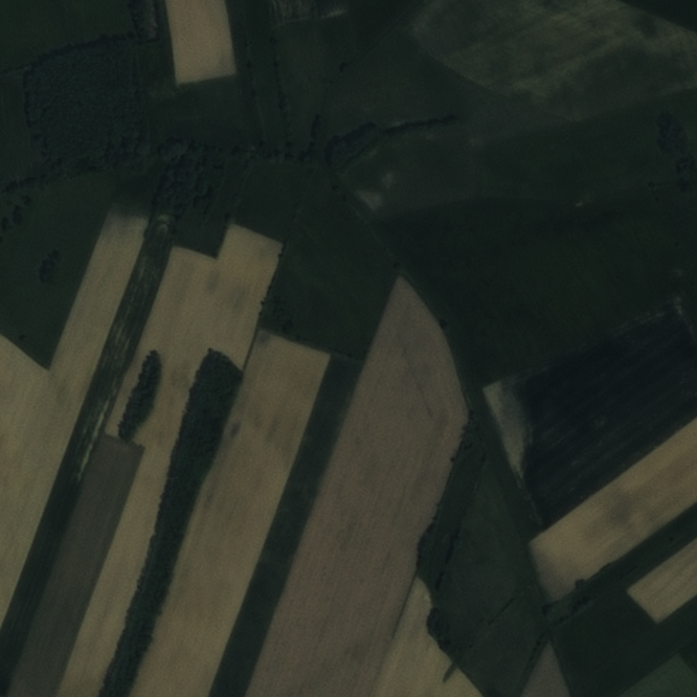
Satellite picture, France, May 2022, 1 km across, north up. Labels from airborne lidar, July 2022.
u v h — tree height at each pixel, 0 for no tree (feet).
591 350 0
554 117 0
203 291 0
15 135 0
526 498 0
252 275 0
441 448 0
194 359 0
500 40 0
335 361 0
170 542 63
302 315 0
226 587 0
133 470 0
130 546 0
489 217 0
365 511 0
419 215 0
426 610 0
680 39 0
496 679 0
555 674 0
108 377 0
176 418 0
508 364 0
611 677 0
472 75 0
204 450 69
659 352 0
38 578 0
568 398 0
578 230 0
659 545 0
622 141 0
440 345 0
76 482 0
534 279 0
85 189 0
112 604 0
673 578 0
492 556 0
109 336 0
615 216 0
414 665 0
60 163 54
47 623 0
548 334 0
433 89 0
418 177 0
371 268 0
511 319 0
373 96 0
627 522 0
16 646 0
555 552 0
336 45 0
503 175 0
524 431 0
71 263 0
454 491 0
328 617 0
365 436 0
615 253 0
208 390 73
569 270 0
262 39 0
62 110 80
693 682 0
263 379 0
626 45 0
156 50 0
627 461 0
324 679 0
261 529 0
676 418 0
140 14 66
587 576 0
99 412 0
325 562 0
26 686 0
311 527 0
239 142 0
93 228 0
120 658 53
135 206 0
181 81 0
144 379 40
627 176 0
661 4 0
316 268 0
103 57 77
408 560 0
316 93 0
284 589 0
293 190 0
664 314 0
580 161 0
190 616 0
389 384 0
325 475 0
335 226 0
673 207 0
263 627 0
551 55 0
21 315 0
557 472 0
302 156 43
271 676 0
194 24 0
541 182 0
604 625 0
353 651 0
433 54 0
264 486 0
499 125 0
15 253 0
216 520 0
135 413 46
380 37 0
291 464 0
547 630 0
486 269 0
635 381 0
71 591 0
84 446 0
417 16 0
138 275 0
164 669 0
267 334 0
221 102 0
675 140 127
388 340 0
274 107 0
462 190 0
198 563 0
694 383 0
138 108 59
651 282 0
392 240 0
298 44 0
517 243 0
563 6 0
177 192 76
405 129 46
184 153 47
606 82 0
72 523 0
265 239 0
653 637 0
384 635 0
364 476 0
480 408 0
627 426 0
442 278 0
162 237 0
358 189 0
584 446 0
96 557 0
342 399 0
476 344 0
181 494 66
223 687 0
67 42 0
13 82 0
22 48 0
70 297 0
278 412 0
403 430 0
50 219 0
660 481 0
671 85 0
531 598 0
